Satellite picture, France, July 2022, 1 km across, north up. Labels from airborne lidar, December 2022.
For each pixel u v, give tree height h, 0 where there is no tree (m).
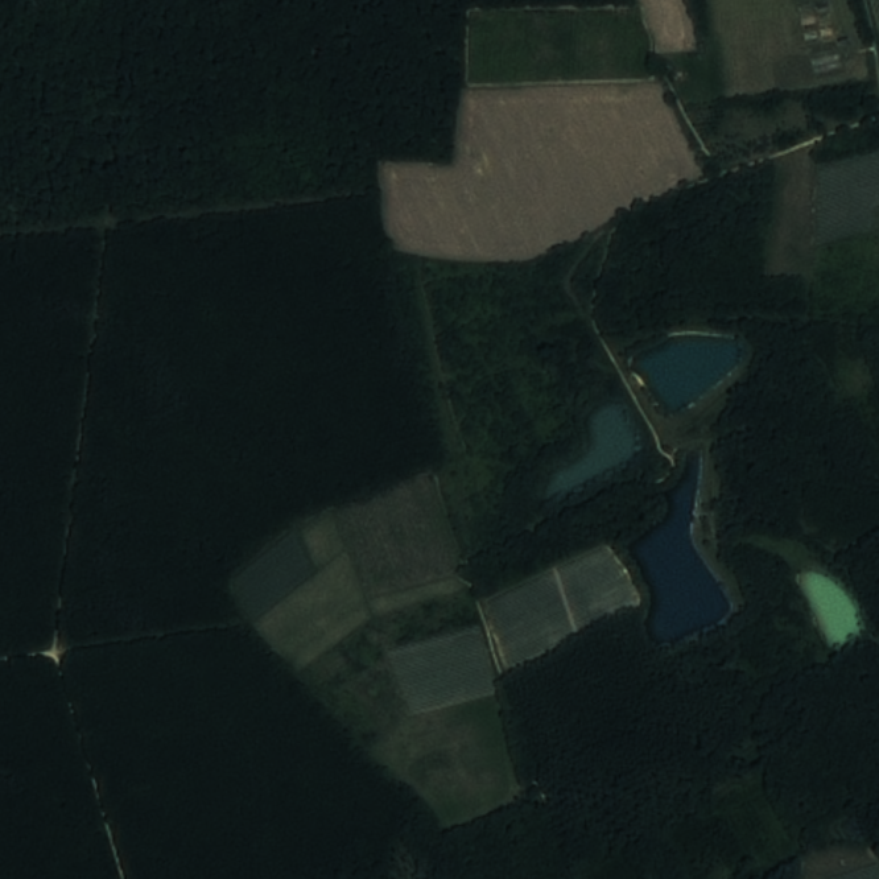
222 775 15
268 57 24
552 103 0
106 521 9
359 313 12
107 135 25
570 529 22
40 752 13
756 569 14
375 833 15
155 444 10
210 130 23
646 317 16
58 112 31
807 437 25
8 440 13
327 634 0
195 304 12
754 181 16
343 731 8
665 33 0
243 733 16
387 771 8
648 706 21
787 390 27
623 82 0
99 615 12
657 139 0
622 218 12
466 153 0
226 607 11
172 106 27
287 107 20
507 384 7
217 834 13
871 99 12
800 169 0
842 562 16
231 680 13
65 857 14
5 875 16
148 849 14
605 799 24
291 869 16
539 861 23
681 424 0
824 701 23
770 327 16
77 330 14
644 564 0
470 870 24
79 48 24
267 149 16
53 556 14
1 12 22
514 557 17
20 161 21
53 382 14
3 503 12
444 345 10
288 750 13
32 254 14
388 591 0
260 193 18
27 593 14
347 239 13
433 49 28
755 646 8
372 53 26
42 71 26
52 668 13
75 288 12
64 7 20
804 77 0
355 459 11
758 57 0
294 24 24
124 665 14
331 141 20
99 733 14
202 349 12
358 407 11
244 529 12
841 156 7
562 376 13
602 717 21
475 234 0
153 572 9
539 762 15
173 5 27
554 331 7
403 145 23
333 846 14
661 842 28
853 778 20
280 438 9
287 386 10
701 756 24
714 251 15
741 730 23
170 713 14
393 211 0
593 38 0
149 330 10
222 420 12
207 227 10
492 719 0
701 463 0
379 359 13
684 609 0
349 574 0
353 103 22
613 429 0
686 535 0
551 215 0
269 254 13
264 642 10
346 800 14
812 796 23
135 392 11
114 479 10
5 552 12
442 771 0
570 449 12
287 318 12
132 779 14
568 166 0
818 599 0
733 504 13
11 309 15
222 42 26
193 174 22
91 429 10
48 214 16
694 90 0
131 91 26
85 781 13
